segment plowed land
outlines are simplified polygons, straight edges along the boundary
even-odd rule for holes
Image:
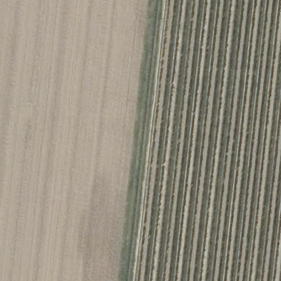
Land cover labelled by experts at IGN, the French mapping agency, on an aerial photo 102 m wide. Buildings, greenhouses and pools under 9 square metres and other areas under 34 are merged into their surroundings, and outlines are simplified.
[[[148,0],[0,0],[0,281],[119,281]]]

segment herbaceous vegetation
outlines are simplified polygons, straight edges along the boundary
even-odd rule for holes
[[[148,0],[119,281],[132,281],[150,111],[153,104],[162,0]]]

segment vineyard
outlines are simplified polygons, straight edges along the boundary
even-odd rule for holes
[[[132,281],[281,281],[281,0],[162,0],[153,104],[150,111]]]

